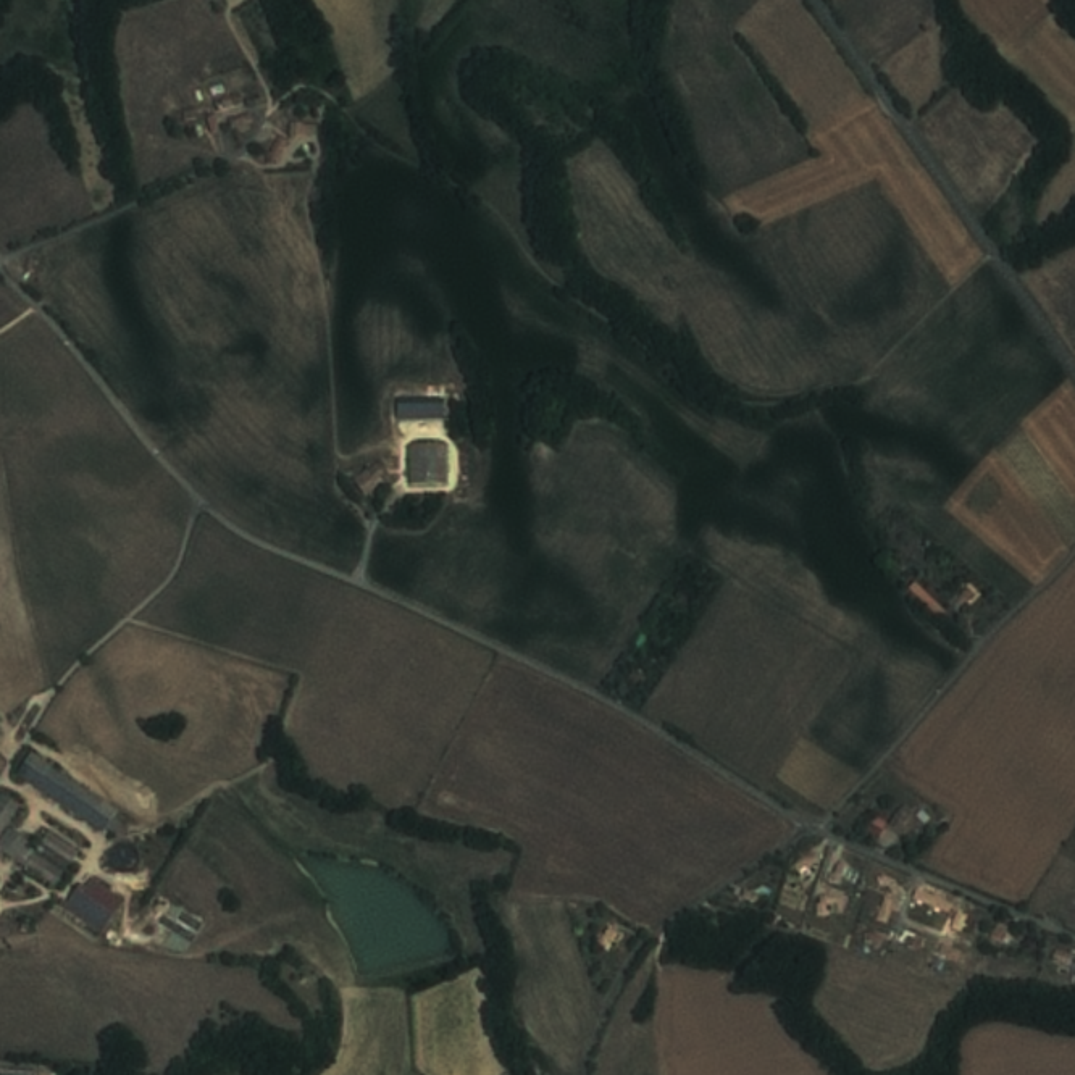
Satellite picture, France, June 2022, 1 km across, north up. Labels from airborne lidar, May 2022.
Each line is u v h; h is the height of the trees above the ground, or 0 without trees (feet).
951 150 0
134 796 0
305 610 0
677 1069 0
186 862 0
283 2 55
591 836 0
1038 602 0
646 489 0
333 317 0
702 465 0
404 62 77
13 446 0
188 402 0
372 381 0
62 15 0
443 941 0
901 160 0
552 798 0
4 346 0
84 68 63
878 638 0
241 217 0
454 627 0
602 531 0
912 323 0
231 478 0
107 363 0
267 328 0
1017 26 0
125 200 47
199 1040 32
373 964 0
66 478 0
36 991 0
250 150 31
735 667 0
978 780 0
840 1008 0
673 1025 0
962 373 0
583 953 20
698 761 0
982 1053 0
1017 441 0
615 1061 0
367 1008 0
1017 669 0
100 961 0
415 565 0
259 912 0
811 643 0
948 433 0
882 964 0
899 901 0
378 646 0
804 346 0
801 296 0
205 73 0
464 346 56
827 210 0
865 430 0
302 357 0
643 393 0
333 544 0
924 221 0
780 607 0
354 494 39
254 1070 49
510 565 0
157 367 0
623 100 0
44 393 0
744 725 0
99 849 0
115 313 0
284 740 49
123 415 0
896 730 0
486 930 54
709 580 24
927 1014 0
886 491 0
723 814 0
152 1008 0
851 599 0
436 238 0
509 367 0
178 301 0
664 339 50
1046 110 66
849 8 0
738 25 0
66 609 0
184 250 0
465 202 46
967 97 40
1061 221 61
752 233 35
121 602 0
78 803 0
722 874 0
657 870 0
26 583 0
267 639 0
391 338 0
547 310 0
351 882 0
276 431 0
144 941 0
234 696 0
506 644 0
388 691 0
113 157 47
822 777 0
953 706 0
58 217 0
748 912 28
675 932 44
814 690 0
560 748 0
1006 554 0
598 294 55
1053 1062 0
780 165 0
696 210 0
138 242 0
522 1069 33
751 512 0
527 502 0
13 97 56
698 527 0
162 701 0
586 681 0
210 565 0
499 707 0
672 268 0
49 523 0
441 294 0
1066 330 0
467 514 0
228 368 0
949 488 0
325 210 53
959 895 25
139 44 0
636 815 0
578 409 43
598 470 0
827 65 0
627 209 0
